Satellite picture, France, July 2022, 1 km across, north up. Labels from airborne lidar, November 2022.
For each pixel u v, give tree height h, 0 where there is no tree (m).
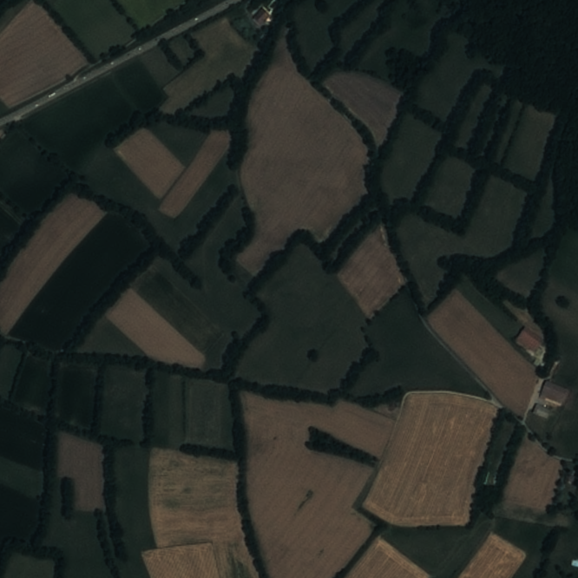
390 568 0
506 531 0
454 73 0
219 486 0
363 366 13
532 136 0
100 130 0
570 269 0
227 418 0
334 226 0
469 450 0
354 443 0
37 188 0
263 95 0
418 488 0
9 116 0
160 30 0
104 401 14
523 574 0
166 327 0
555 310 0
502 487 13
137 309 0
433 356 0
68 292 0
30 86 0
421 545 0
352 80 0
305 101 0
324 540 0
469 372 0
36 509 0
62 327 0
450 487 0
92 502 0
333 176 0
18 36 0
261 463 0
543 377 15
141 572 0
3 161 0
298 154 0
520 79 24
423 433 0
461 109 19
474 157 23
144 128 10
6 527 0
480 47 22
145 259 20
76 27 0
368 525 0
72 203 0
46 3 13
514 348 0
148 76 0
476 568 0
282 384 0
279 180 0
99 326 0
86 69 0
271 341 0
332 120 0
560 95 24
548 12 24
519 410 0
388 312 0
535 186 19
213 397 0
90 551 0
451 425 0
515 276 0
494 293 16
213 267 0
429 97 0
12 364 0
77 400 0
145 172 0
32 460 0
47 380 0
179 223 0
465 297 0
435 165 13
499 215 0
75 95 0
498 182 0
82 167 0
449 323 0
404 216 16
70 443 0
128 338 0
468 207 13
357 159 0
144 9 0
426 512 0
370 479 0
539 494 0
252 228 13
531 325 0
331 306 0
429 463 0
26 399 0
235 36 0
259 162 0
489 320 0
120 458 0
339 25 19
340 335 0
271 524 0
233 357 21
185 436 0
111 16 0
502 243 0
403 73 15
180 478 0
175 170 0
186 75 0
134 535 0
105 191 0
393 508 0
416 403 0
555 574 0
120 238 0
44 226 0
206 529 0
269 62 21
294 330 0
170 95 0
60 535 0
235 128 20
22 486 0
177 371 12
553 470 0
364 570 0
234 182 0
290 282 0
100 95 0
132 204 0
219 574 0
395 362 0
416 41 0
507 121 18
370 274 0
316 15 0
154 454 0
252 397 0
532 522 0
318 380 0
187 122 20
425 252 0
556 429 0
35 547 16
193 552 0
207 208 0
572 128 19
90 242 0
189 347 0
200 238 14
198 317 0
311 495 0
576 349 0
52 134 0
